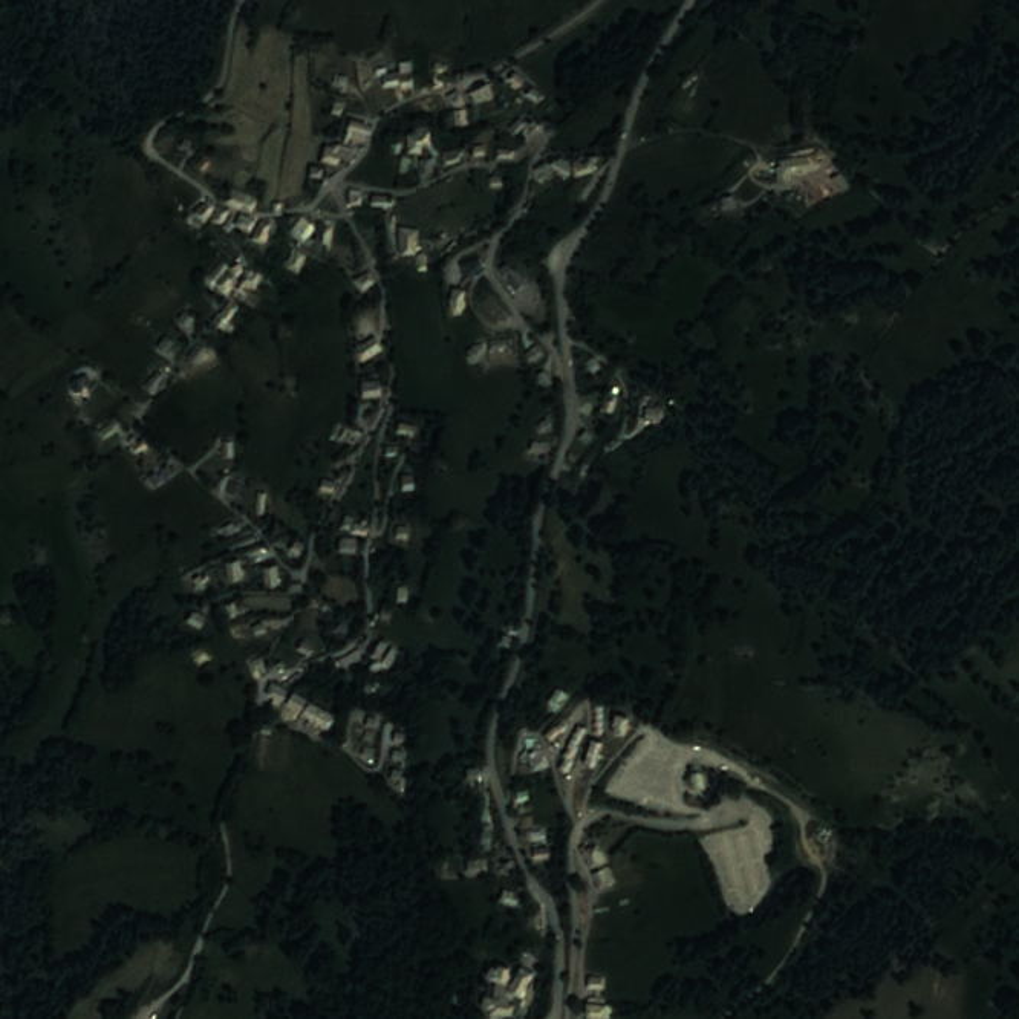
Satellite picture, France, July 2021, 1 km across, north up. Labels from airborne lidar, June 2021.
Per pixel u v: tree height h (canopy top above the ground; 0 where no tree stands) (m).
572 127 0
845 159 10
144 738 0
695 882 0
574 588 0
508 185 12
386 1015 14
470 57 0
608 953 0
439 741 0
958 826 16
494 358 0
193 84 9
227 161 0
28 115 10
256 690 11
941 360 0
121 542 0
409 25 0
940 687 0
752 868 0
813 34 21
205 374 0
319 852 0
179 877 0
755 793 8
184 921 17
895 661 0
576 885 13
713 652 0
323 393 0
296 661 0
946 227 0
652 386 18
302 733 8
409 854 13
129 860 0
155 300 0
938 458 21
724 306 14
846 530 28
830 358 10
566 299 9
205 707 0
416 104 0
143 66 12
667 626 6
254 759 11
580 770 0
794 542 12
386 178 0
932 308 0
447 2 0
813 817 0
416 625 8
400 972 25
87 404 0
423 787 9
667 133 9
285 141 0
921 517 12
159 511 0
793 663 0
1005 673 0
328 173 8
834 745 0
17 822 10
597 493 19
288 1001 9
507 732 15
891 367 0
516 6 0
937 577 6
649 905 0
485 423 0
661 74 13
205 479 14
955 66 14
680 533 0
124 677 12
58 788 21
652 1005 6
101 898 0
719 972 14
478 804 10
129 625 21
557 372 0
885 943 30
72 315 0
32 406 0
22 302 15
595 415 7
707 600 20
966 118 30
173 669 0
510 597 9
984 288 0
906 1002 0
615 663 0
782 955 0
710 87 0
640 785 0
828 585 19
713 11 10
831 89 14
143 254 0
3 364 0
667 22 9
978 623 27
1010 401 27
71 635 0
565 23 0
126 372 0
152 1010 0
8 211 0
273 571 0
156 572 0
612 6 0
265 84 8
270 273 6
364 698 13
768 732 0
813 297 22
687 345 14
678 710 0
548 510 6
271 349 0
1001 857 27
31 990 19
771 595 0
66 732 9
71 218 0
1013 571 27
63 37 20
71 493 0
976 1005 0
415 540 0
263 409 0
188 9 12
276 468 0
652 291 11
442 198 0
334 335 0
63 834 0
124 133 10
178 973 0
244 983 0
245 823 0
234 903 0
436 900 25
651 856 0
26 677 10
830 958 20
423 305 0
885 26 0
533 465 0
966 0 0
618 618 16
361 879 21
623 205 0
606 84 21
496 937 12
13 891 22
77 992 25
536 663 8
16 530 0
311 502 8
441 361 0
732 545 0
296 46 6
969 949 0
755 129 0
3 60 10
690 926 0
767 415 0
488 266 0
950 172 9
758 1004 6
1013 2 16
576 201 0
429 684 16
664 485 0
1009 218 0
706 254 13
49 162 0
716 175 0
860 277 32
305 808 0
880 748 0
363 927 20
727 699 0
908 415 20
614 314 0
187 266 0
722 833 0
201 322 11
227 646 0
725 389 6
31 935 18
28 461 0
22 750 0
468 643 0
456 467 0
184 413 0
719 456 22
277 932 7
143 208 0
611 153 10
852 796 0
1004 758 0
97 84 13
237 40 0
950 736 0
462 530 0
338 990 7
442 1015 9
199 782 0
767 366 0
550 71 0
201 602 15
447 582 0
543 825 0
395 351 10
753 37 15
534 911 12
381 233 7
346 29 0
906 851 19
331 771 0
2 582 0
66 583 0
